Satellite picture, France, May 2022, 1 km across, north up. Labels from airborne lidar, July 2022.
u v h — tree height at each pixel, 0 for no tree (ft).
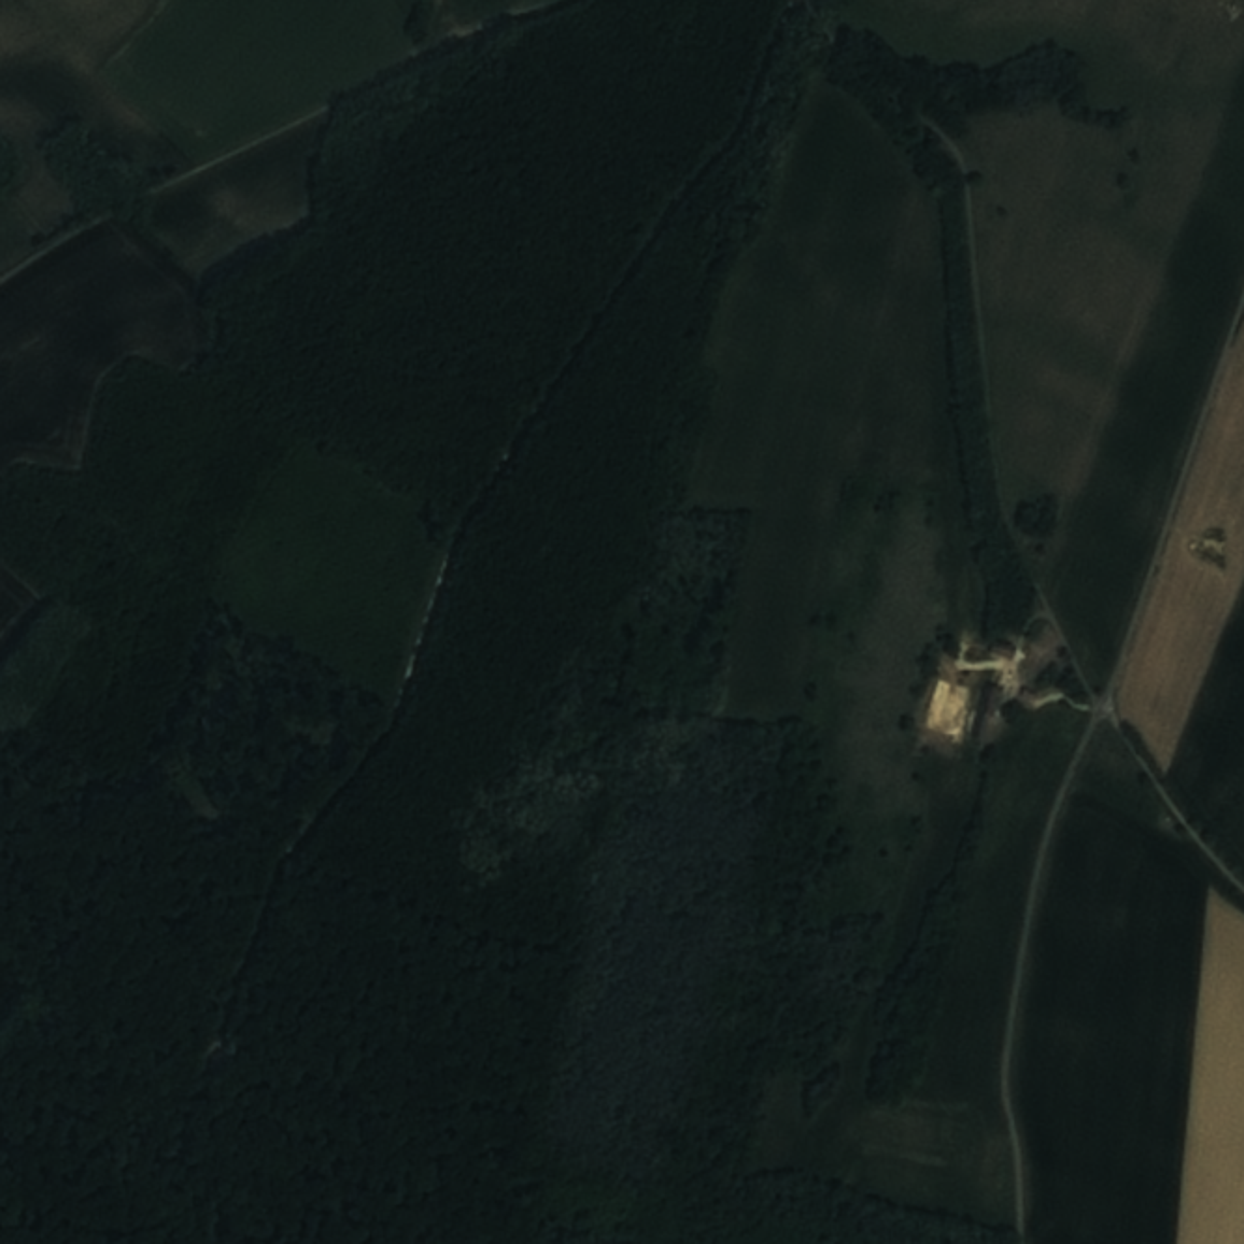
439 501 75
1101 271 0
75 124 51
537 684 46
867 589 0
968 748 0
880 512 28
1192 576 0
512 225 79
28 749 87
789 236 0
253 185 0
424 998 94
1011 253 0
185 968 84
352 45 0
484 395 72
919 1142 0
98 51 0
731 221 76
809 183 0
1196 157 0
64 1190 86
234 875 84
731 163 56
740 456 0
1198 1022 0
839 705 0
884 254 0
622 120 52
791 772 57
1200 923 0
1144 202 0
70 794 71
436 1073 91
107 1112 86
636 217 61
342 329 72
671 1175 45
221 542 20
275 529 0
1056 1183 0
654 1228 32
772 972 55
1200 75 0
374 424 80
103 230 0
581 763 79
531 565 60
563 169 71
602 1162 65
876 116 53
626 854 63
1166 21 0
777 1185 58
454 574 52
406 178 61
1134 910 0
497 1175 92
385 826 56
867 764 0
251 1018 80
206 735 100
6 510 21
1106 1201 0
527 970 93
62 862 95
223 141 0
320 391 67
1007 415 0
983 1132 0
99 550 34
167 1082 87
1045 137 0
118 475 24
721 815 66
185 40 0
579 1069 27
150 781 66
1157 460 0
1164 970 0
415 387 74
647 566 58
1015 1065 0
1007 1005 0
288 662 106
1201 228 0
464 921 45
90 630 29
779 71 59
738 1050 47
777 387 0
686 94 45
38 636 65
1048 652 0
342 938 93
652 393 50
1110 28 0
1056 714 0
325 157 53
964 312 49
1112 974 0
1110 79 0
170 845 85
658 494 54
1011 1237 58
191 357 0
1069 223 0
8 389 0
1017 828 0
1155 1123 0
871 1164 0
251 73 0
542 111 68
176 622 34
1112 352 0
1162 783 34
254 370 61
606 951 56
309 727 103
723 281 50
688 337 65
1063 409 0
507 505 56
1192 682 0
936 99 65
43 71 0
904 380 0
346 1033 85
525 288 69
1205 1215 0
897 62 78
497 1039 90
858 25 0
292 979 89
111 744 39
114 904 94
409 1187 97
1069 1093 0
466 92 57
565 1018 67
